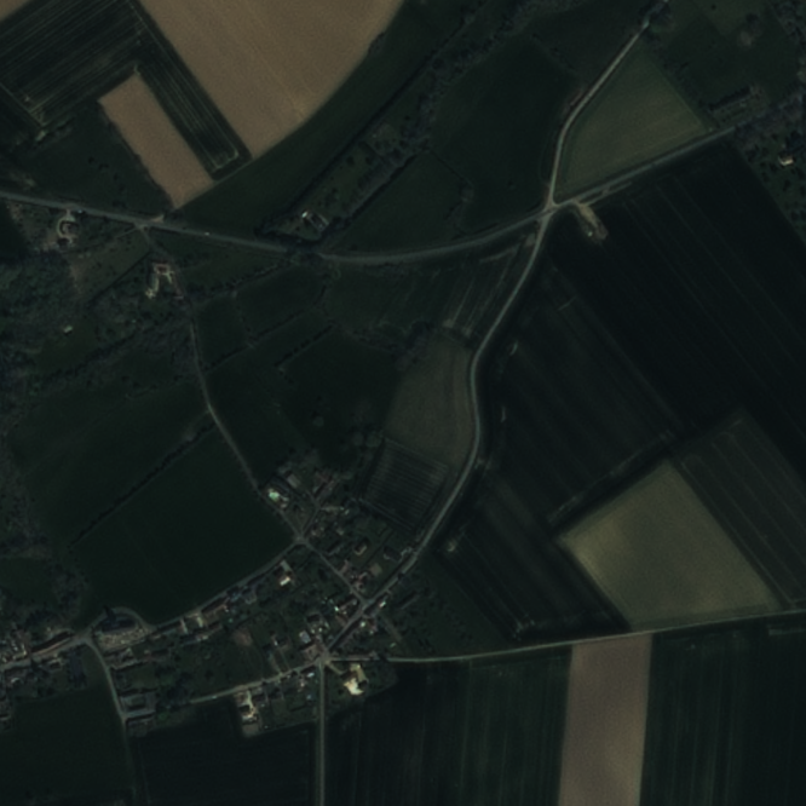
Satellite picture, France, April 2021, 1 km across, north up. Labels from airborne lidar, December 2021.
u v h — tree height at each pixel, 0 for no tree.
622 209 0
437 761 0
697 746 0
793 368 0
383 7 0
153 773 0
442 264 0
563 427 0
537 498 0
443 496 0
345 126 0
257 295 0
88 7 0
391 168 20
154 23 0
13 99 0
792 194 9
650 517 0
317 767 0
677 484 0
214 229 0
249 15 0
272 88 0
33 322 19
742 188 0
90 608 0
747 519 0
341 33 0
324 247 14
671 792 0
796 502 0
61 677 0
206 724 0
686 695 0
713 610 0
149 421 0
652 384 0
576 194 0
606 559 0
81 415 0
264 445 0
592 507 0
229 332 0
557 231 0
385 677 13
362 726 0
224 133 0
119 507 8
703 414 0
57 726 0
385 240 0
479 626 0
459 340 0
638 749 0
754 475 0
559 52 6
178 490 0
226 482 0
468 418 0
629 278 0
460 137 0
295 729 0
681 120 0
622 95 0
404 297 0
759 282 0
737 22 0
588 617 0
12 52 0
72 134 0
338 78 0
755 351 0
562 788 0
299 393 0
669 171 0
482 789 0
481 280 0
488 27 0
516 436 0
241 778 0
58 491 0
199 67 0
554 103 0
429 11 0
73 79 0
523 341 0
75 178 0
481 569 0
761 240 0
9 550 12
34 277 18
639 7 0
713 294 0
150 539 0
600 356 0
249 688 0
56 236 0
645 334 0
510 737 0
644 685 0
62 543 0
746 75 0
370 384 0
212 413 0
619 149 0
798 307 0
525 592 0
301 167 0
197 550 0
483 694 0
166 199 18
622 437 0
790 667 0
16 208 0
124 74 0
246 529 0
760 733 0
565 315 0
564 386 0
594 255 0
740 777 0
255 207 0
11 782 0
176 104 0
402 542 0
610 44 0
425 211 0
